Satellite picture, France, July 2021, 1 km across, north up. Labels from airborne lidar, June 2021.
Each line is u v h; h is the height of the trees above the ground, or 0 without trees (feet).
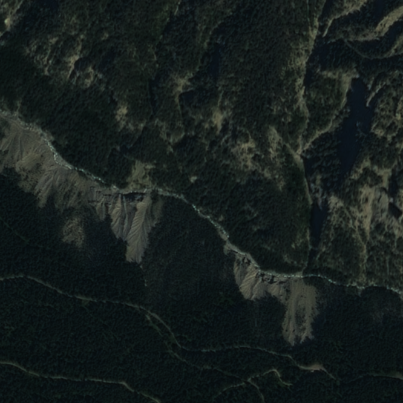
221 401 89
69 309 73
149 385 76
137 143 40
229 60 33
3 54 31
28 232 84
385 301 33
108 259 65
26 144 0
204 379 55
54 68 24
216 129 31
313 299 0
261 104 35
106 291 62
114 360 69
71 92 60
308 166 22
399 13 0
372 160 45
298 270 37
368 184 37
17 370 38
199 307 69
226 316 89
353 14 0
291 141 32
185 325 82
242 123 40
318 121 45
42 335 79
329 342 70
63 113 59
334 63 43
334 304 25
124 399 87
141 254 0
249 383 64
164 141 22
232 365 23
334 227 24
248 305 62
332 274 37
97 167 37
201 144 28
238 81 52
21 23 27
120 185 41
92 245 27
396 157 33
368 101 0
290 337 0
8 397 86
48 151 0
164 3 47
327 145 43
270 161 21
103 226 25
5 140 0
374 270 23
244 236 45
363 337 57
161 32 24
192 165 27
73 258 69
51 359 96
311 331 0
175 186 28
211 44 34
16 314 77
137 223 0
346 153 25
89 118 36
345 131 50
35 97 30
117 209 0
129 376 40
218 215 28
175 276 42
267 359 79
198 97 32
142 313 23
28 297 78
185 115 80
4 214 70
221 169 42
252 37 27
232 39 43
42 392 43
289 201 28
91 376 19
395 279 35
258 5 47
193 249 54
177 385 86
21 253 85
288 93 52
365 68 47
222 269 32
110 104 26
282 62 35
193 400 37
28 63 23
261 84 50
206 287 51
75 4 38
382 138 18
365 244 22
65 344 87
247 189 40
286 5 28
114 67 35
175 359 69
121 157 50
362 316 59
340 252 23
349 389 91
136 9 42
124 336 84
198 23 31
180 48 44
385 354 86
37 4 22
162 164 28
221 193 64
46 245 73
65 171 0
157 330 19
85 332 93
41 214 45
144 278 49
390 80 29
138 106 37
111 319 81
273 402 47
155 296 24
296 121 27
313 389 73
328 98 40
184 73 18
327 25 22
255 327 33
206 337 76
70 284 88
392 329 66
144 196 0
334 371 77
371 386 85
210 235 59
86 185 0
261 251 53
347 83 0
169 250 33
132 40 31
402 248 20
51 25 21
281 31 54
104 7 57
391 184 26
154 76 24
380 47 59
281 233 27
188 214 28
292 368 92
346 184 41
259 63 38
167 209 25
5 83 21
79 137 24
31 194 51
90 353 91
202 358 95
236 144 19
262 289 0
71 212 18
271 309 69
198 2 47
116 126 42
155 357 85
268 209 30
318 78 49
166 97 32
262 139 20
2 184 61
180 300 51
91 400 100
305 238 22
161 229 26
